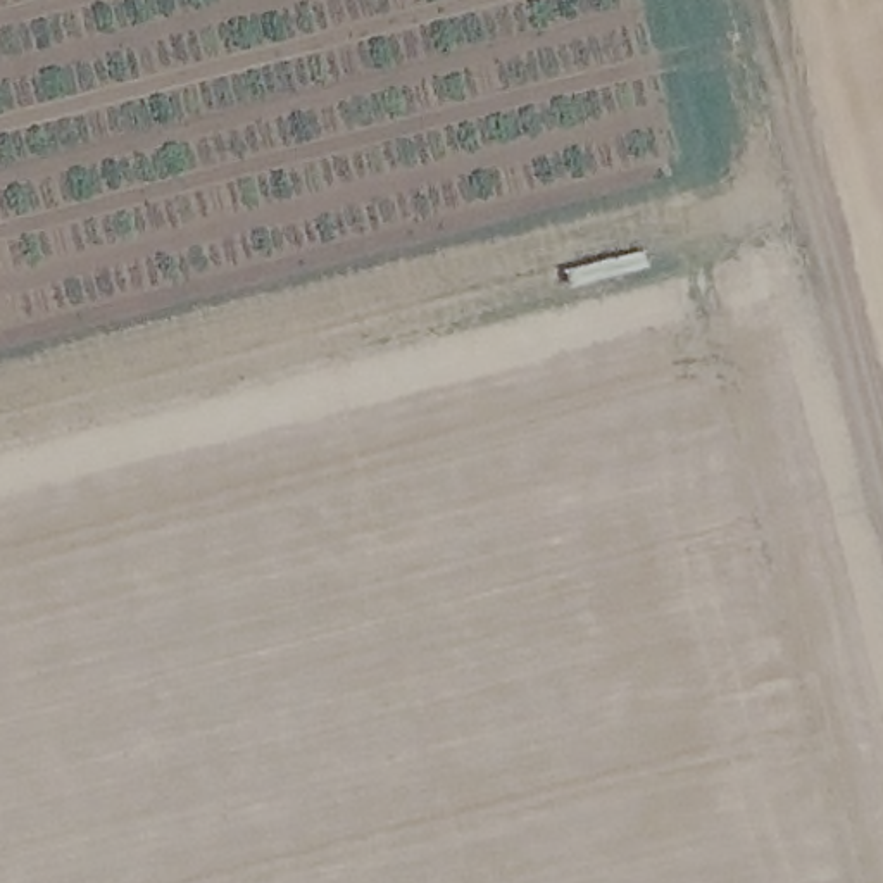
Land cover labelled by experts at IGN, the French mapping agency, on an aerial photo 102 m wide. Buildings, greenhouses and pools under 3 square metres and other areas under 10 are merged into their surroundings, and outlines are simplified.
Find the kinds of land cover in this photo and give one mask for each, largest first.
<instances>
[{"label":"agricultural land","instance_id":"1","mask_svg":"<svg viewBox=\"0 0 883 883\"><path fill-rule=\"evenodd\" d=\"M0 883H883V0H0Z\"/></svg>","mask_w":883,"mask_h":883}]
</instances>
